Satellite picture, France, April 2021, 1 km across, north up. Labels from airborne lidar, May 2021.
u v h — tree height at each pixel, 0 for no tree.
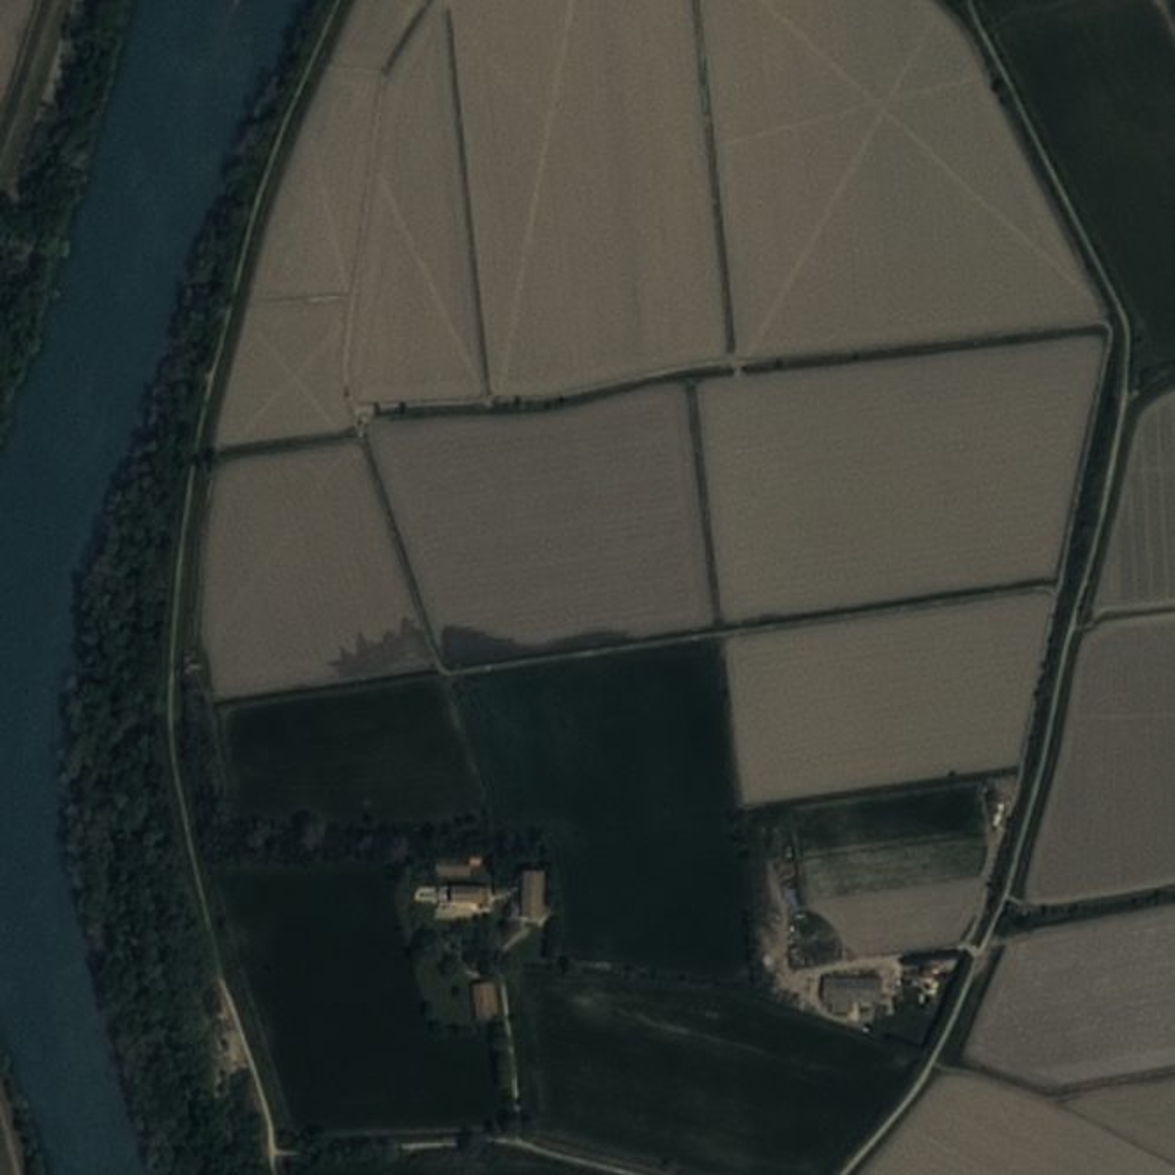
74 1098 0
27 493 0
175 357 8
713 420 0
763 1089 0
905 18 0
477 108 0
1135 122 0
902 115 0
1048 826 0
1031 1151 0
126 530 23
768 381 0
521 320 0
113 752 12
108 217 0
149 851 30
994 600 0
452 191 0
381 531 0
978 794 0
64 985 0
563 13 0
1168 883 0
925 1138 0
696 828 0
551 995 0
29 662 0
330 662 0
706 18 0
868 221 0
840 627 0
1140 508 0
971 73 0
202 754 14
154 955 30
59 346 0
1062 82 0
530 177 0
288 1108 0
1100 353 0
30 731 0
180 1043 20
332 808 0
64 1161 0
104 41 15
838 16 0
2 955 0
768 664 0
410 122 0
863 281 0
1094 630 0
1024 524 0
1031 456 0
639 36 0
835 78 0
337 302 0
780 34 0
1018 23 0
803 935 0
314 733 0
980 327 0
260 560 0
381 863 14
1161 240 0
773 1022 0
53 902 0
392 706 0
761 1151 0
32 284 21
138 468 17
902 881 0
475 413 0
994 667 0
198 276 18
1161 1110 0
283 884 0
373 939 0
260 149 15
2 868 0
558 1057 0
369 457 0
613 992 0
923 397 0
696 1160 0
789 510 0
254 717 0
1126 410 0
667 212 0
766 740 0
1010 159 0
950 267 0
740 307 0
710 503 0
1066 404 0
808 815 0
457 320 0
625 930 0
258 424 0
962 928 0
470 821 11
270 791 0
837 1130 0
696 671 0
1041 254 0
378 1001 0
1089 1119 0
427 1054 0
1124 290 0
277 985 0
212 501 0
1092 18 0
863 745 0
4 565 0
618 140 0
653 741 0
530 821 0
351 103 0
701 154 0
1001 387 0
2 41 0
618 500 0
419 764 0
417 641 0
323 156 0
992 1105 0
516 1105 9
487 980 16
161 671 10
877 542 0
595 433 0
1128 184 0
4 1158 0
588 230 0
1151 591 0
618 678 0
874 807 0
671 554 0
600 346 0
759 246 0
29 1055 0
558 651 0
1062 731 0
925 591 0
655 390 0
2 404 18
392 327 0
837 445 0
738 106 0
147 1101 22
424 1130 0
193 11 0
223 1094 8
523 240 0
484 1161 10
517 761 0
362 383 0
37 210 21
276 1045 0
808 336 0
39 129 6
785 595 0
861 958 0
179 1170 26
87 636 22
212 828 15
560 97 0
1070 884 0
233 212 20
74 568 0
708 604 0
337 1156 19
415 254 0
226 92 0
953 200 0
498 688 0
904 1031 0
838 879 0
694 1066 0
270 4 0
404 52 0
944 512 0
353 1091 0
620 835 0
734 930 0
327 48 0
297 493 0
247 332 0
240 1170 17
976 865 0
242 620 0
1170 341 0
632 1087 0
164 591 11
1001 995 0
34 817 0
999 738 0
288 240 0
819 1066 0
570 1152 0
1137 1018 0
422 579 0
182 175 0
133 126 0
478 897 0
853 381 0
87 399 0
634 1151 0
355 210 0
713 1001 0
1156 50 0
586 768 0
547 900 14
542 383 0
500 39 0
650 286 0
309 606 0
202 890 0
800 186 0
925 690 0
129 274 0
